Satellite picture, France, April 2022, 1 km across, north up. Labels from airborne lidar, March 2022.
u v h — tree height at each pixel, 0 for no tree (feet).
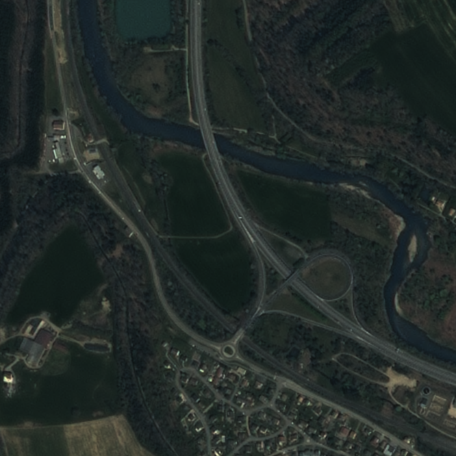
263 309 0
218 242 0
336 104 81
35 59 86
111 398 0
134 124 0
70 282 0
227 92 0
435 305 44
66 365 0
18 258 79
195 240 0
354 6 81
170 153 0
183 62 26
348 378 48
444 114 0
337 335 21
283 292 0
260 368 0
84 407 0
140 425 87
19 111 68
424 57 0
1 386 0
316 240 0
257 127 0
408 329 0
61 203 58
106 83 0
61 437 0
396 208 0
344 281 0
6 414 0
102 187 0
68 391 0
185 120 47
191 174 0
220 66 0
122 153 0
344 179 0
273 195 0
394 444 0
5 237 79
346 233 55
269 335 0
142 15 0
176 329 0
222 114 0
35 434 0
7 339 0
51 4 0
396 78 0
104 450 0
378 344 0
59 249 0
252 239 0
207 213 0
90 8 0
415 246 0
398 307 0
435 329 0
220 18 0
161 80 0
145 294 100
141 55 47
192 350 0
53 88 0
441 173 22
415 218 0
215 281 0
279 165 0
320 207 0
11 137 76
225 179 0
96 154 0
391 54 0
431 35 0
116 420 0
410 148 89
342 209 43
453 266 0
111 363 0
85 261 0
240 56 0
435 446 0
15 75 86
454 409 0
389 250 47
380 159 82
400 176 35
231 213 0
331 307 0
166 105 0
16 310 0
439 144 30
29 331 0
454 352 0
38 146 70
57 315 0
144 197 0
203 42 0
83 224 73
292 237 36
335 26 86
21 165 69
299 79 89
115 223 35
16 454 0
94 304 0
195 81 0
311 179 0
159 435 71
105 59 0
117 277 80
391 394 0
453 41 0
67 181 20
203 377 0
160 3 0
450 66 0
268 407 0
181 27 37
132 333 76
